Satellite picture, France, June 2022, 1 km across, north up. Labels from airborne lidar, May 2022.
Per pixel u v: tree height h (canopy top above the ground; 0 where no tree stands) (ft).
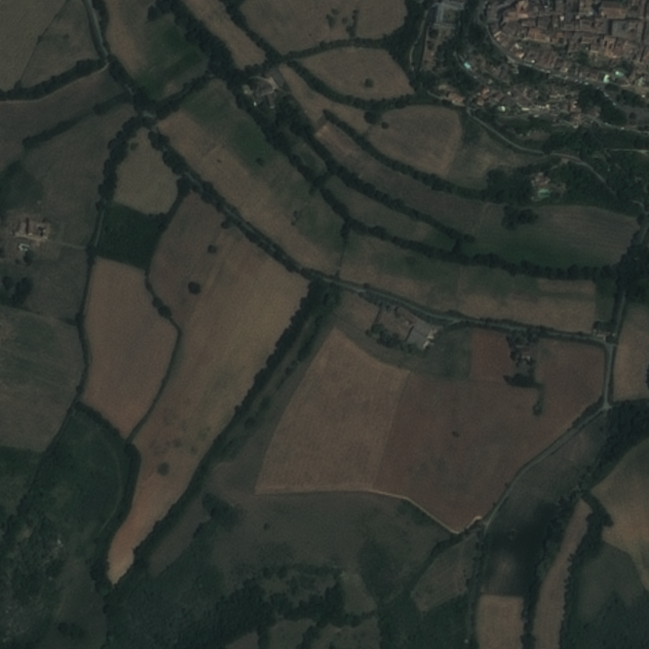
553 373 0
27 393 0
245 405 34
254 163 0
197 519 0
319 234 0
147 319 0
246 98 38
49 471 27
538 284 0
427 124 0
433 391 0
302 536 0
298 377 0
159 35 0
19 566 21
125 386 0
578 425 31
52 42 0
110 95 0
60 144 0
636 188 27
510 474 0
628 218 0
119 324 0
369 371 0
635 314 0
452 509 0
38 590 24
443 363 0
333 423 0
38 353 0
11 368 0
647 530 0
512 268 50
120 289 0
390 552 0
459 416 0
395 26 0
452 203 0
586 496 21
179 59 0
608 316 0
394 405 0
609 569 0
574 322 0
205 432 0
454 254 40
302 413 0
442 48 34
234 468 0
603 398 24
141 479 0
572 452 0
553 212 0
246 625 52
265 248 43
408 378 0
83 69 60
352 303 0
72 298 0
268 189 0
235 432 0
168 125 0
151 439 0
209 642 43
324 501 0
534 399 0
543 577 37
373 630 0
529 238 0
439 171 0
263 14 0
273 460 0
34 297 0
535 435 0
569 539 0
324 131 0
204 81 40
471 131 0
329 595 46
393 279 0
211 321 0
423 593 0
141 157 0
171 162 73
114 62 38
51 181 0
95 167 0
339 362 0
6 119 0
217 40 51
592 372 0
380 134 0
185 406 0
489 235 0
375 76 0
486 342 0
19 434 0
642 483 0
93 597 0
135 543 0
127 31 0
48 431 0
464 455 0
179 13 56
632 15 0
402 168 52
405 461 0
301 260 0
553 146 51
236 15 59
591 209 0
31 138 41
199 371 0
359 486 0
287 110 26
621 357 0
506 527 0
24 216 0
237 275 0
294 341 54
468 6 31
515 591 0
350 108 0
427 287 0
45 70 0
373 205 0
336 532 0
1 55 0
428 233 0
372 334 27
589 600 0
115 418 0
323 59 0
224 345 0
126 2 0
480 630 0
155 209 0
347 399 0
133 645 18
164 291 0
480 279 0
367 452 0
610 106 45
